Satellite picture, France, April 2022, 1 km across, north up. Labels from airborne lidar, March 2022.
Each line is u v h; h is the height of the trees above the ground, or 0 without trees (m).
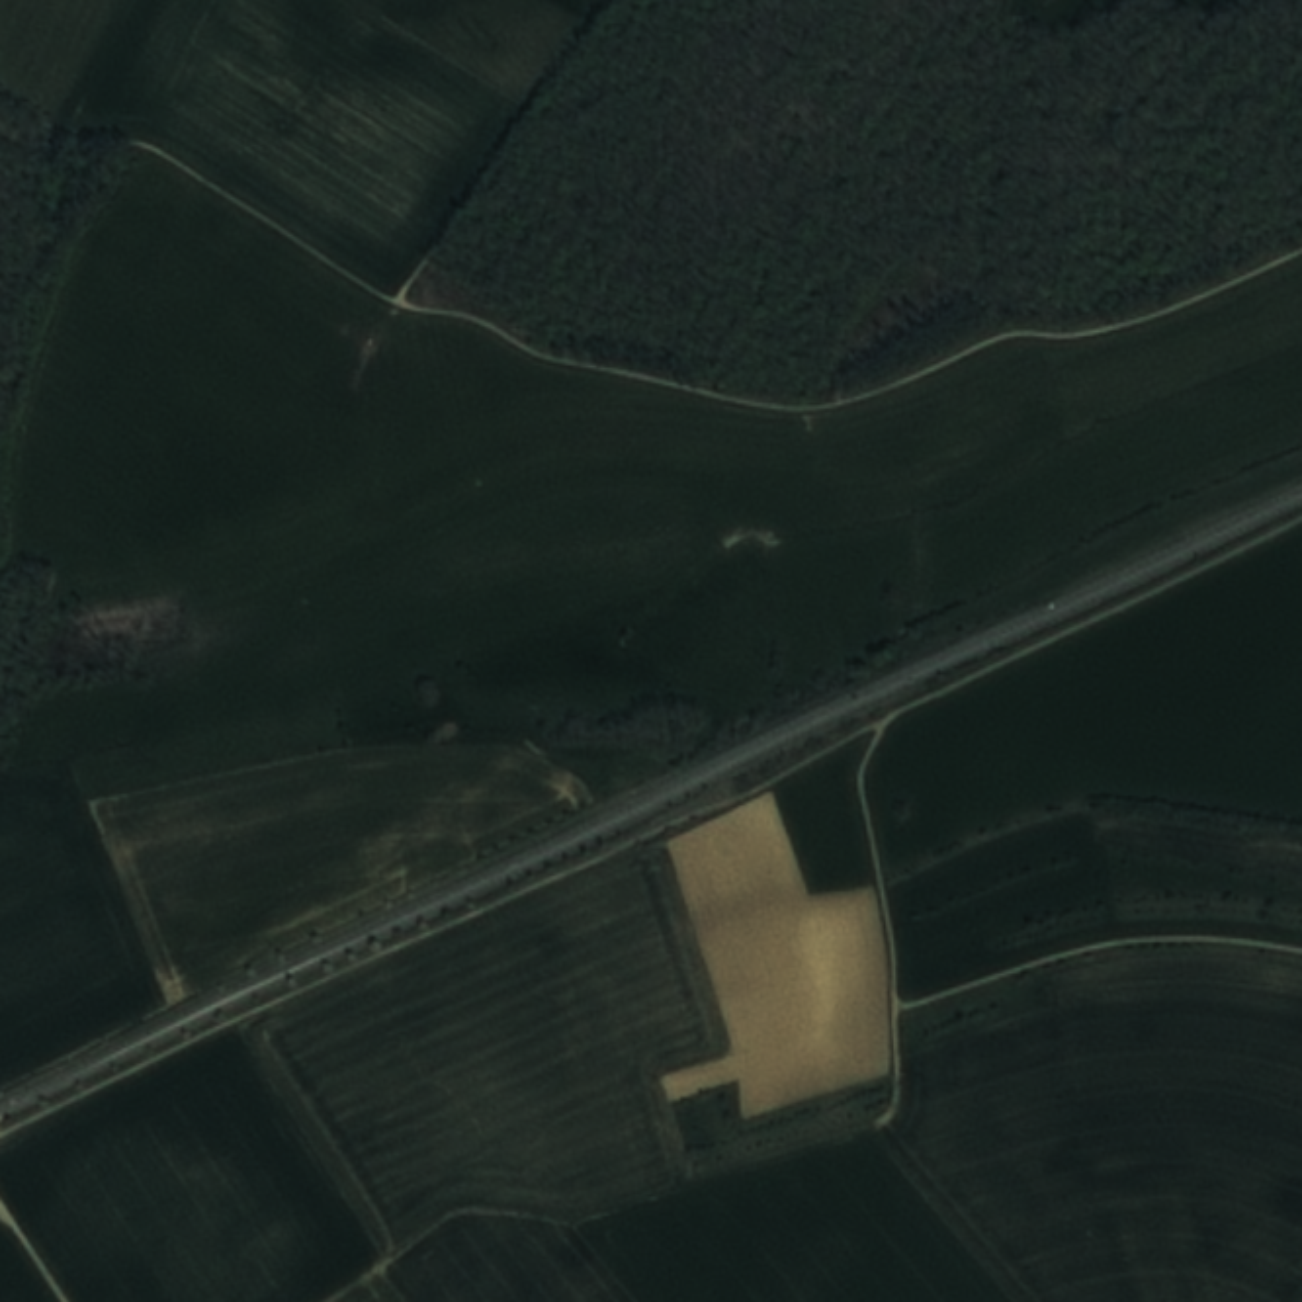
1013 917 0
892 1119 0
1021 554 0
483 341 0
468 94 0
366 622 0
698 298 25
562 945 0
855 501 0
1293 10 27
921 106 25
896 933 0
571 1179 0
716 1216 0
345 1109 0
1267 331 0
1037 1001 0
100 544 0
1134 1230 0
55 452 0
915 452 0
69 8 0
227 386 0
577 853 0
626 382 0
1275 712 0
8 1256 0
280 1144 0
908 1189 0
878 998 0
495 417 0
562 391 0
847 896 0
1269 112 30
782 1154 0
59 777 0
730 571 0
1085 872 0
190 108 0
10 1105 0
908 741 0
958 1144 0
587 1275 0
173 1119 0
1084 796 0
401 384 0
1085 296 26
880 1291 0
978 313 24
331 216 0
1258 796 0
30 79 0
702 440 0
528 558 0
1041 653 0
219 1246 0
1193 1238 0
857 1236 0
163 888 0
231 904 0
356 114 0
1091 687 0
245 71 0
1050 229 24
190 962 0
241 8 0
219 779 0
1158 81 30
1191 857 0
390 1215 0
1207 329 0
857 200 23
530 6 0
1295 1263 0
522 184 24
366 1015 0
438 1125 0
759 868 0
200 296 0
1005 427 0
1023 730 0
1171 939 0
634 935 0
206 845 0
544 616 0
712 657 0
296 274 0
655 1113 0
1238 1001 0
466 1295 0
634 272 25
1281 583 0
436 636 0
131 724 0
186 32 0
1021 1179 0
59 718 0
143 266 0
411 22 0
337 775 0
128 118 0
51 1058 0
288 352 0
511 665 0
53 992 0
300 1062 0
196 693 0
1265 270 0
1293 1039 0
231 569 0
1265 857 0
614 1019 0
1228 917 0
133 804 0
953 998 0
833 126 25
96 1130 0
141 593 0
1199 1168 0
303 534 0
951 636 0
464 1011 0
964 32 25
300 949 0
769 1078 0
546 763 0
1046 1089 0
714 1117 0
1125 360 0
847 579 0
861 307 23
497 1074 0
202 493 0
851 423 0
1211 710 0
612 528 0
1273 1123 0
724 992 0
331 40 0
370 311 0
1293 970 0
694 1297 0
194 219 0
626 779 0
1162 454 0
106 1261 0
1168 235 26
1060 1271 0
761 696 0
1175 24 22
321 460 0
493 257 23
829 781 0
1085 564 0
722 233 27
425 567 0
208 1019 0
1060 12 0
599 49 19
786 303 23
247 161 0
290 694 0
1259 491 0
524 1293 0
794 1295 0
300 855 0
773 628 0
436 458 0
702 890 0
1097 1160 0
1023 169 27
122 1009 0
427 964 0
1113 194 28
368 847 0
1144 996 0
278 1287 0
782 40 25
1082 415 0
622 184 26
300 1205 0
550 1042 0
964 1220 0
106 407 0
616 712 0
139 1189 0
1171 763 0
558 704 0
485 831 0
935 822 0
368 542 0
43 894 0
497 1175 0
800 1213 0
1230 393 0
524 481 0
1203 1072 0
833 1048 0
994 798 0
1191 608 0
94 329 0
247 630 0
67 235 24
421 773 0
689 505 0
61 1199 0
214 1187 0
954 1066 0
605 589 0
